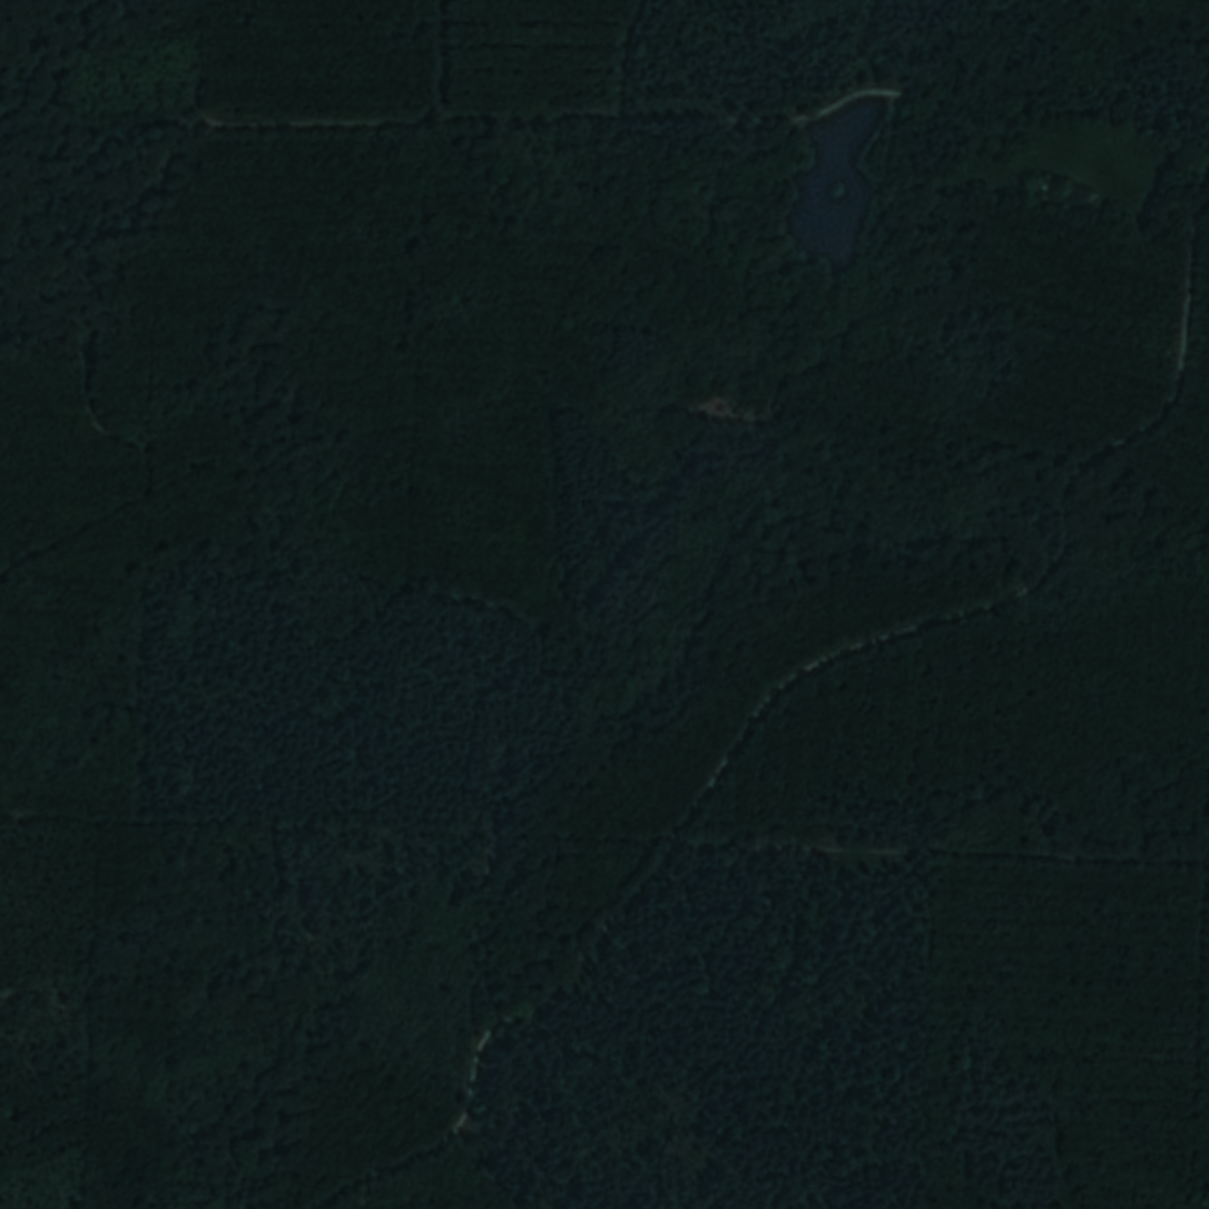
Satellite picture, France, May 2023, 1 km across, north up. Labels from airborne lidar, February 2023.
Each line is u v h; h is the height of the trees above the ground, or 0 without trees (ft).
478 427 45
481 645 83
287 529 74
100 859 38
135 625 42
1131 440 36
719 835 66
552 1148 82
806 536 94
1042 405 43
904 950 98
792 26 58
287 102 37
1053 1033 36
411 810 82
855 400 38
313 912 99
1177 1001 36
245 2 40
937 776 47
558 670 69
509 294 42
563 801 74
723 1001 82
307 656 83
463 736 59
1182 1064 35
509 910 75
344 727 84
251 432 74
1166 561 65
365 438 37
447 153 41
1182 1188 36
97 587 39
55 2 80
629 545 60
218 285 41
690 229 51
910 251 46
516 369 41
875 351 54
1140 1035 29
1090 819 52
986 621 51
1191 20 49
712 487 52
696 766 43
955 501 49
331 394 44
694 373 50
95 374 39
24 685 46
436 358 45
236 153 38
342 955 91
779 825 46
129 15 82
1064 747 54
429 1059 38
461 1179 60
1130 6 59
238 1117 67
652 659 23
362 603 60
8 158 86
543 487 54
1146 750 46
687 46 64
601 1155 95
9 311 81
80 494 40
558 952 84
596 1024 70
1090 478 73
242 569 42
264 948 30
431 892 40
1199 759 68
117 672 18
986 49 53
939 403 38
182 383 39
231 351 73
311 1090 47
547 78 50
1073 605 50
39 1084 46
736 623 88
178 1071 78
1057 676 48
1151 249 48
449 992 47
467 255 45
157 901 47
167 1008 55
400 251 45
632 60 57
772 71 81
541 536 42
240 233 42
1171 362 37
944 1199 35
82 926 37
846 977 85
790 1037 89
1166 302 40
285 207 43
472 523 45
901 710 45
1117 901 35
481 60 56
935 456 47
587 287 46
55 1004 40
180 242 49
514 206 49
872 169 33
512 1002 68
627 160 60
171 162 79
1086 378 48
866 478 64
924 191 65
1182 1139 37
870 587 56
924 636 46
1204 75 56
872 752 47
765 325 31
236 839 69
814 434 70
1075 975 38
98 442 38
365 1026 41
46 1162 54
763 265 40
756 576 74
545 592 47
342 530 47
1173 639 49
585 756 83
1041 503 80
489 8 54
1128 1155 34
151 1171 56
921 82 75
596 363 46
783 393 51
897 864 0
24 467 44
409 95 42
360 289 47
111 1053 58
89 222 40
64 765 73
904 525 41
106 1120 56
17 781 45
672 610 55
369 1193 49
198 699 51
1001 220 45
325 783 77
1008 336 68
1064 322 37
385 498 31
